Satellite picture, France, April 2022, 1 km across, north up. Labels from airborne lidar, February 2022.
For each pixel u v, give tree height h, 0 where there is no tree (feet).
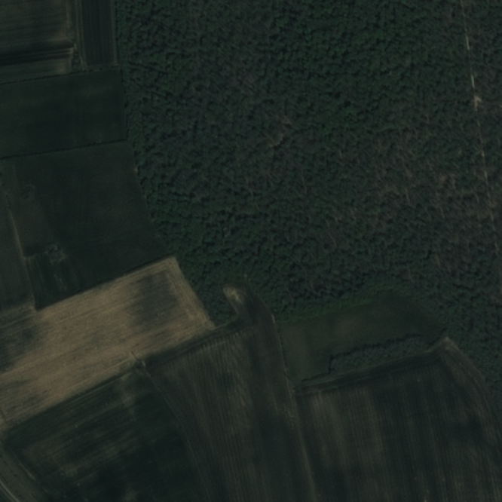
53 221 0
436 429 0
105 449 0
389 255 76
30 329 0
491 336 75
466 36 67
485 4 74
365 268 83
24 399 0
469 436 0
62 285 0
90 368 0
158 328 0
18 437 0
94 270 0
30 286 0
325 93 65
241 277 27
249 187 71
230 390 0
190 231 73
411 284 73
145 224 0
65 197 0
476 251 76
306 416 0
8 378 0
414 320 0
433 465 0
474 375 0
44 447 0
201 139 74
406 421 0
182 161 77
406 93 72
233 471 0
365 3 64
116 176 0
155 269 0
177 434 0
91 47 0
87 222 0
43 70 0
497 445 0
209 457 0
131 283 0
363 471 0
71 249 0
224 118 73
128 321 0
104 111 0
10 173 0
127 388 0
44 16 0
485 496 0
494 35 64
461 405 0
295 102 76
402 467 0
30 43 0
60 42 0
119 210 0
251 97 71
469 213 74
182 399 0
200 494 0
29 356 0
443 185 0
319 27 69
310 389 0
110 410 0
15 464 0
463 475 0
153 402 0
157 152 61
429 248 78
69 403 0
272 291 69
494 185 77
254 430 0
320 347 0
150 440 0
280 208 69
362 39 71
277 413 0
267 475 0
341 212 67
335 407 0
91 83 0
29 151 0
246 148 75
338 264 78
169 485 0
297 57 59
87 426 0
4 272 0
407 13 62
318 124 69
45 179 0
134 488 0
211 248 66
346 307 36
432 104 61
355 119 66
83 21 0
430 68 72
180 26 67
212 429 0
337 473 0
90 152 0
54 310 0
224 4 58
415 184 69
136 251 0
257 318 0
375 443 0
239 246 74
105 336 0
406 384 0
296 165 74
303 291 69
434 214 73
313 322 0
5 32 0
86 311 0
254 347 0
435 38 81
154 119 59
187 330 0
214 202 73
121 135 0
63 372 0
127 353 0
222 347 0
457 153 75
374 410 0
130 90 45
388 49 70
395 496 0
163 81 66
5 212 0
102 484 0
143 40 45
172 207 78
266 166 81
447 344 0
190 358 0
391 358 52
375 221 73
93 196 0
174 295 0
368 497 0
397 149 74
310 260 70
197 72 69
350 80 75
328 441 0
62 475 0
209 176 70
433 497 0
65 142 0
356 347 0
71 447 0
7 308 0
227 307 58
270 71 66
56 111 0
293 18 59
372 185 66
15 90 0
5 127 0
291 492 0
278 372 0
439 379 0
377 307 0
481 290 74
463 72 65
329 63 65
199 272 51
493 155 77
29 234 0
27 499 0
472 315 79
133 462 0
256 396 0
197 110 81
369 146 68
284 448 0
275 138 68
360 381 0
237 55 60
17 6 0
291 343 0
